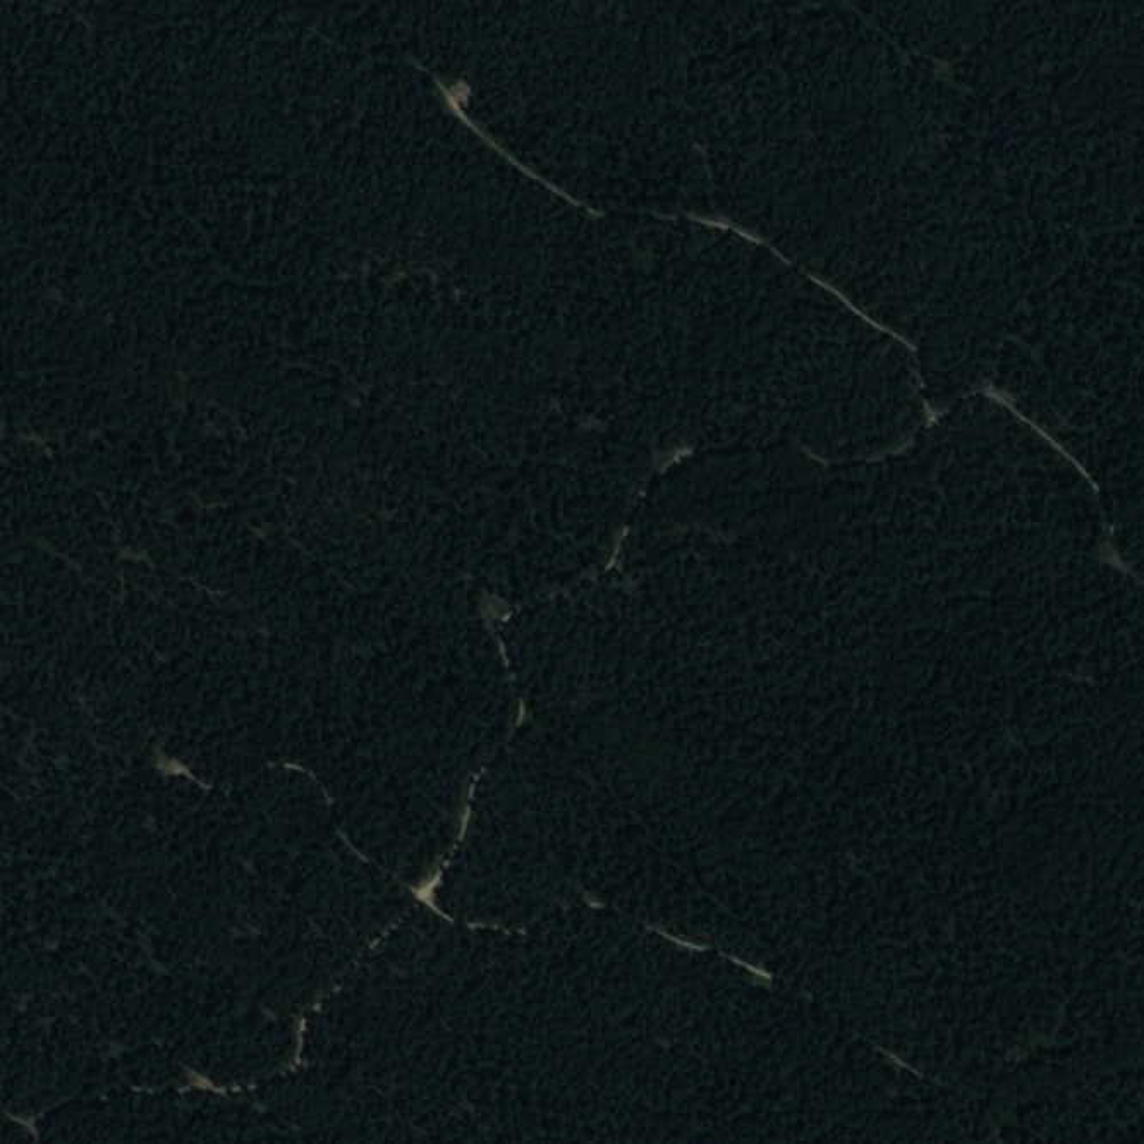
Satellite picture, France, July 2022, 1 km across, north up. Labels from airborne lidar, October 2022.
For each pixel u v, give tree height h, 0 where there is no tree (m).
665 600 18
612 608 28
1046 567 23
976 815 17
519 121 28
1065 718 21
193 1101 19
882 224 24
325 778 12
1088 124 24
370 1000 23
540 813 23
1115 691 20
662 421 22
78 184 10
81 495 11
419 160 29
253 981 24
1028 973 26
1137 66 22
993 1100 23
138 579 20
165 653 23
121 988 26
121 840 20
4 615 16
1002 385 20
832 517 18
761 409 31
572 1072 24
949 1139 24
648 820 31
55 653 15
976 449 11
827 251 22
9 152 17
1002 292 29
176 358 16
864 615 18
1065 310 25
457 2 22
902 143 17
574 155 30
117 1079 22
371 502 18
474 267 18
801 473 22
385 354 26
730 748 34
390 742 25
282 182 25
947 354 22
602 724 16
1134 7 20
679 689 27
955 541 20
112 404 27
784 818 21
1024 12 21
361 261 26
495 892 8
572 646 20
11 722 19
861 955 22
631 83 28
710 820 20
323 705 19
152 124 26
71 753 19
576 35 18
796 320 13
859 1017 26
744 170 25
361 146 22
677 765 24
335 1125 20
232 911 21
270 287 8
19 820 25
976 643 21
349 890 17
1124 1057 25
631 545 11
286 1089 27
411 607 23
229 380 19
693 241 26
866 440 6
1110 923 22
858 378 19
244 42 24
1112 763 16
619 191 18
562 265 16
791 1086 30
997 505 25
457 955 22
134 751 20
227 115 25
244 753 10
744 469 20
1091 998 24
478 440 24
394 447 10
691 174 29
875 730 27
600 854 30
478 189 22
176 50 25
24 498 25
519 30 11
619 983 27
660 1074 24
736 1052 32
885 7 25
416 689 15
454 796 22
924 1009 30
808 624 31
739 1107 32
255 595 19
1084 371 20
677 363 24
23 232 19
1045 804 17
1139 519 23
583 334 27
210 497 24
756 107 18
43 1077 20
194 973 10
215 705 16
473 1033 20
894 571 20
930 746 21
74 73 19
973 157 26
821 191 22
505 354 29
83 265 26
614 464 26
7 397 22
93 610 19
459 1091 31
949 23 17
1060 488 7
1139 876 19
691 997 24
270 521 20
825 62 26
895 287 19
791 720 22
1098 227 31
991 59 25
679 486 24
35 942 30
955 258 20
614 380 24
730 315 20
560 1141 21
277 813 21
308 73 24
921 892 14
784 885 22
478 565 8
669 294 25
